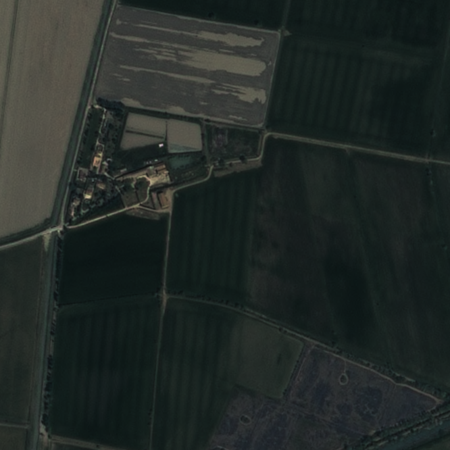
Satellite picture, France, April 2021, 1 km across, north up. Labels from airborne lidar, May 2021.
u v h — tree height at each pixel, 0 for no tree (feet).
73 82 0
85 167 0
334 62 0
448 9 0
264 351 0
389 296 0
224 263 0
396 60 0
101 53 0
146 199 0
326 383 0
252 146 0
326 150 0
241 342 0
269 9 0
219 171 0
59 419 0
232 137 0
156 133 0
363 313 0
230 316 0
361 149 0
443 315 0
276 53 0
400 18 0
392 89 0
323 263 0
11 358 0
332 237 0
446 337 0
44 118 0
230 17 0
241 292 0
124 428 0
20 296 0
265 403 0
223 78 0
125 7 0
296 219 0
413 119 0
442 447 0
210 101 0
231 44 0
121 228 0
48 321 0
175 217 0
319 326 0
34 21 0
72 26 0
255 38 0
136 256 0
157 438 0
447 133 0
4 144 0
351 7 0
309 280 0
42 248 0
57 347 0
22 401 0
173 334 0
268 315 0
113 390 0
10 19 0
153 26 0
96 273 0
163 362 0
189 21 0
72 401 0
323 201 0
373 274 0
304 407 0
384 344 0
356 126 0
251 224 0
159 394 0
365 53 0
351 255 0
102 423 0
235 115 0
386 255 0
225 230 0
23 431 0
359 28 0
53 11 0
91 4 0
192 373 0
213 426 0
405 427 40
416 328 0
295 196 0
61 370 0
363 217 0
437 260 0
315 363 0
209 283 0
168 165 0
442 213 0
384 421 0
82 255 0
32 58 0
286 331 20
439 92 0
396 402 0
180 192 0
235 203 0
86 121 0
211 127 0
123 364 0
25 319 0
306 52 0
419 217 0
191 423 0
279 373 0
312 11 0
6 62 0
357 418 0
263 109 0
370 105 0
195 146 0
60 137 0
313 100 0
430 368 0
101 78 0
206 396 0
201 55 0
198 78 0
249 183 0
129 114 0
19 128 0
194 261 0
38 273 0
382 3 0
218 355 0
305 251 0
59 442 0
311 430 0
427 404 0
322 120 0
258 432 0
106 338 0
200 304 0
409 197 0
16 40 0
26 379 0
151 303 0
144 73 0
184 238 0
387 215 0
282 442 0
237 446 0
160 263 0
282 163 0
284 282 0
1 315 0
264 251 0
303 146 0
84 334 0
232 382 0
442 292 0
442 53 0
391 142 0
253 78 0
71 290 0
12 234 0
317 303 0
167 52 0
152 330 0
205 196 0
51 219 0
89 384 0
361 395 0
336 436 0
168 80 0
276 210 0
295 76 0
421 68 0
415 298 0
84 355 0
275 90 0
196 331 0
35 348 0
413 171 0
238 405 0
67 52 0
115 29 0
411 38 0
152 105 0
